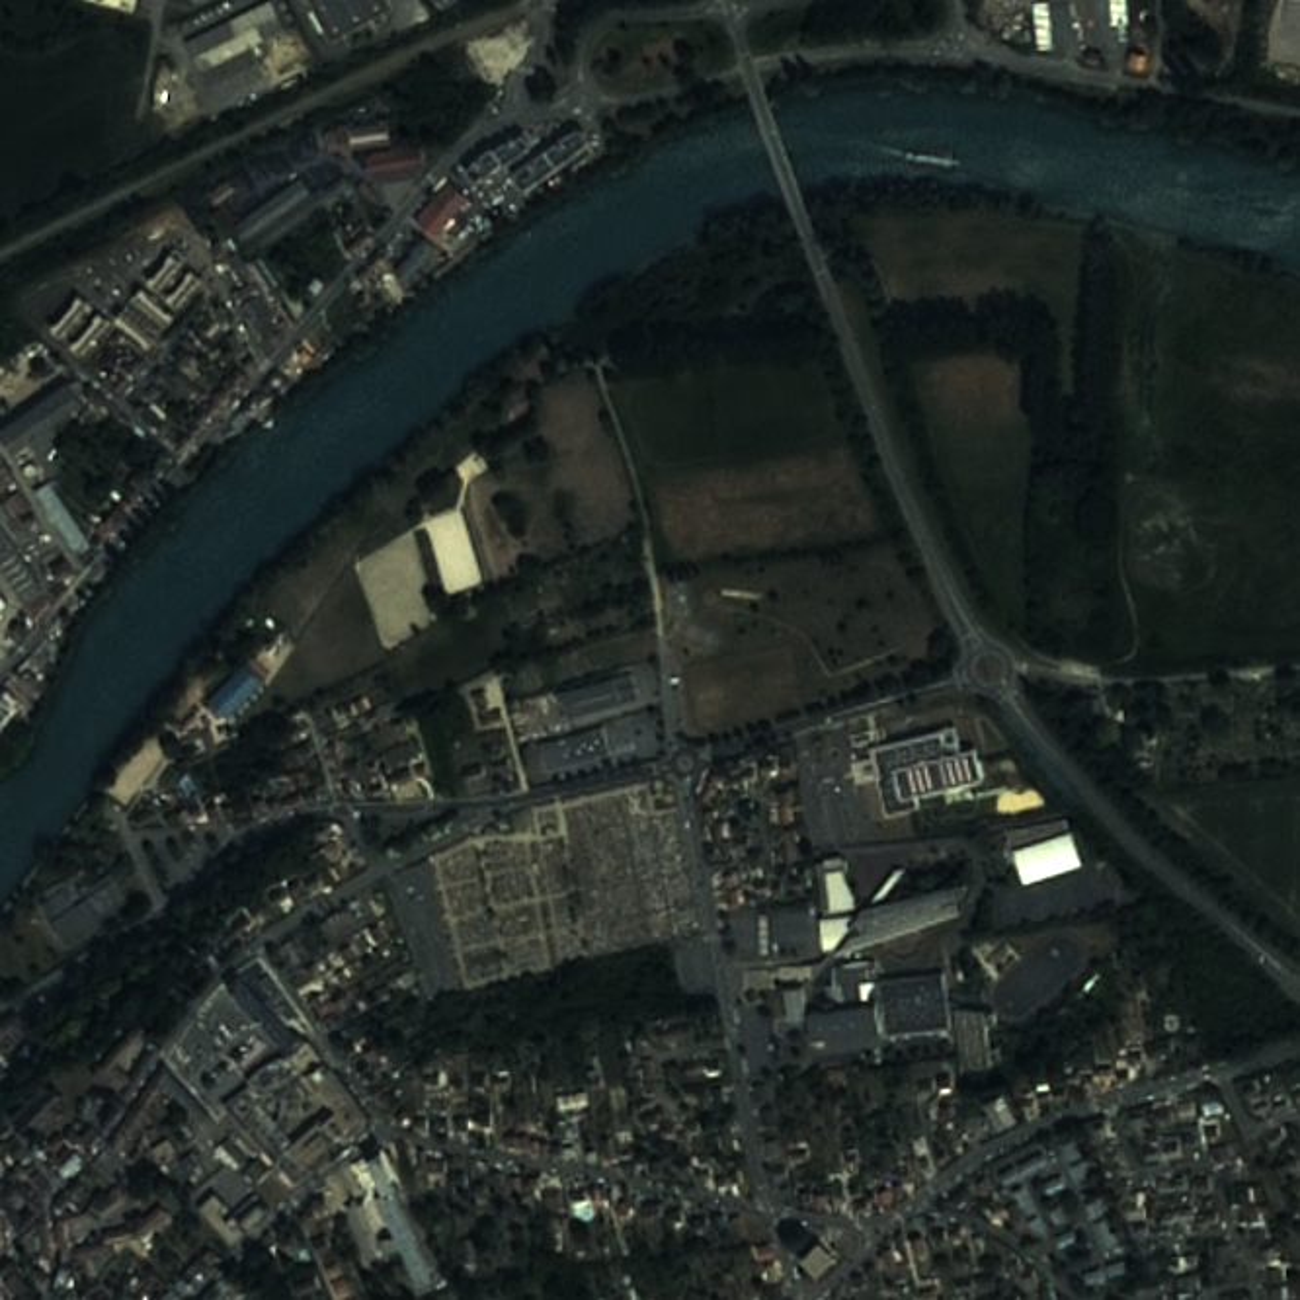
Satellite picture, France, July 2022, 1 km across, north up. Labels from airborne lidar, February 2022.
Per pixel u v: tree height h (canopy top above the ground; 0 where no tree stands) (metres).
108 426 7
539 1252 11
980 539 0
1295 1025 14
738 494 0
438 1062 0
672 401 0
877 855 0
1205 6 0
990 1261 9
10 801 0
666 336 31
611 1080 0
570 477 0
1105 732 16
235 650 8
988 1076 0
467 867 0
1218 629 0
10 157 0
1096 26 0
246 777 7
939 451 0
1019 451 0
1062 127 0
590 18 15
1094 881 0
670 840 0
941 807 0
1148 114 16
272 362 0
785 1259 0
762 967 0
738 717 0
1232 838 0
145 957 20
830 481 0
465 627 0
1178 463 0
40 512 0
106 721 0
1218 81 9
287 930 0
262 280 0
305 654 0
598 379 7
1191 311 0
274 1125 0
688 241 0
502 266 0
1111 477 6
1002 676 0
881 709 0
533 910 0
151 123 0
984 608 8
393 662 0
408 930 0
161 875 7
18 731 21
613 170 11
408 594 0
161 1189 17
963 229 0
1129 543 0
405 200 0
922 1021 0
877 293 18
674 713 0
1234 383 0
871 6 27
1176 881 0
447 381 0
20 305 0
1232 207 0
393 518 0
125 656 0
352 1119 0
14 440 0
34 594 0
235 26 0
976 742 0
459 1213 12
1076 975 0
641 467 0
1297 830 0
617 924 0
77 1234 0
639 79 0
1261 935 7
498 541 0
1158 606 0
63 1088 0
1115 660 0
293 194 0
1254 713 0
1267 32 0
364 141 0
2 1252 0
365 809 0
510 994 8
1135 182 0
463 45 0
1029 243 0
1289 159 11
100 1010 18
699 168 0
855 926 0
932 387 0
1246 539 0
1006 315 31
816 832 0
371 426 0
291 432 0
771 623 0
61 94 0
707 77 0
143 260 0
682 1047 0
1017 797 0
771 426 0
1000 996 0
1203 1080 0
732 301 0
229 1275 17
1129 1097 0
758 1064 0
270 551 0
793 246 20
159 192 0
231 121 8
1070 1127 13
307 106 0
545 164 0
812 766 0
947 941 0
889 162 0
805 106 0
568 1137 0
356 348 14
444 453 0
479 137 0
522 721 0
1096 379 35
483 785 0
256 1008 0
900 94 0
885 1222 0
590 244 0
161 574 0
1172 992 8
